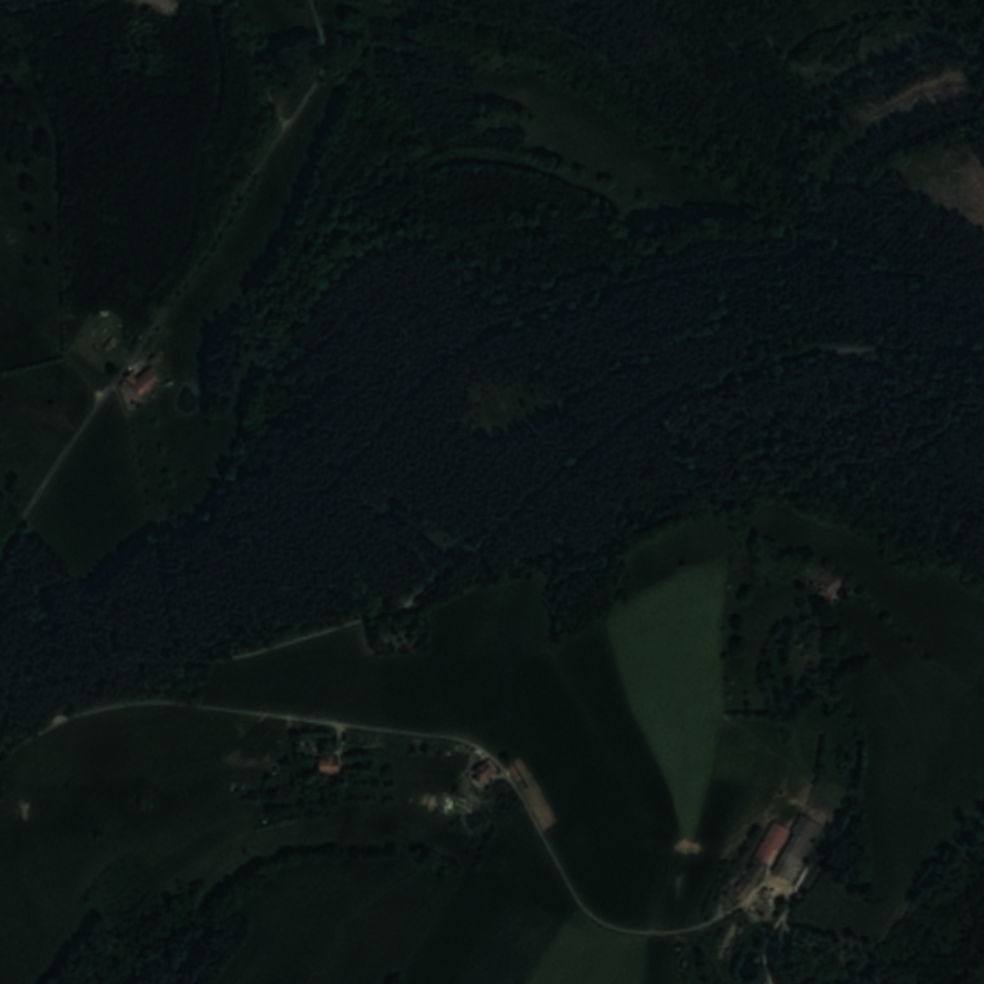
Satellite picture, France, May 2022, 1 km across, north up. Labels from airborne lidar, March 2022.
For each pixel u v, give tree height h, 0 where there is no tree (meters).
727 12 13
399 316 30
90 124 13
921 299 28
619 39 26
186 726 0
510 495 31
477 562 25
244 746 0
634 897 0
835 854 23
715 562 0
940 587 0
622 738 0
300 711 0
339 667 0
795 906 13
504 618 0
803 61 13
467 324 30
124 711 0
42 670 26
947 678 0
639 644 0
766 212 13
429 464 28
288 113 0
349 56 21
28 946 0
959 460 26
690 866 0
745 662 0
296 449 30
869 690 0
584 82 14
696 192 0
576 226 21
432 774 0
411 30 27
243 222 0
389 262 26
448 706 0
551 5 22
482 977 0
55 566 27
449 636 0
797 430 17
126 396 0
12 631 29
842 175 15
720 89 11
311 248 18
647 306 22
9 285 0
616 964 0
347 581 29
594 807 0
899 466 25
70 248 7
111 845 0
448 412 25
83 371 0
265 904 0
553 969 0
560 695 0
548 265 23
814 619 12
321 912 0
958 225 22
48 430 0
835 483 22
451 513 25
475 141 11
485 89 0
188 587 30
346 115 19
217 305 0
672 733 0
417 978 0
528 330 26
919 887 15
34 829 0
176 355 0
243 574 31
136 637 28
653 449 30
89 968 19
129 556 28
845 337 22
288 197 0
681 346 29
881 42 0
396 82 12
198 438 0
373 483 29
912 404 18
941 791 0
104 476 0
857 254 22
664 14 15
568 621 17
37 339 0
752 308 24
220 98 18
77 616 27
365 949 0
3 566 27
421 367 29
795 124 18
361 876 0
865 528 22
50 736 0
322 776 12
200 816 0
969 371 23
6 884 0
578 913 0
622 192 0
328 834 0
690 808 0
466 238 12
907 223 20
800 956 17
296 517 30
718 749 0
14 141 15
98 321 0
